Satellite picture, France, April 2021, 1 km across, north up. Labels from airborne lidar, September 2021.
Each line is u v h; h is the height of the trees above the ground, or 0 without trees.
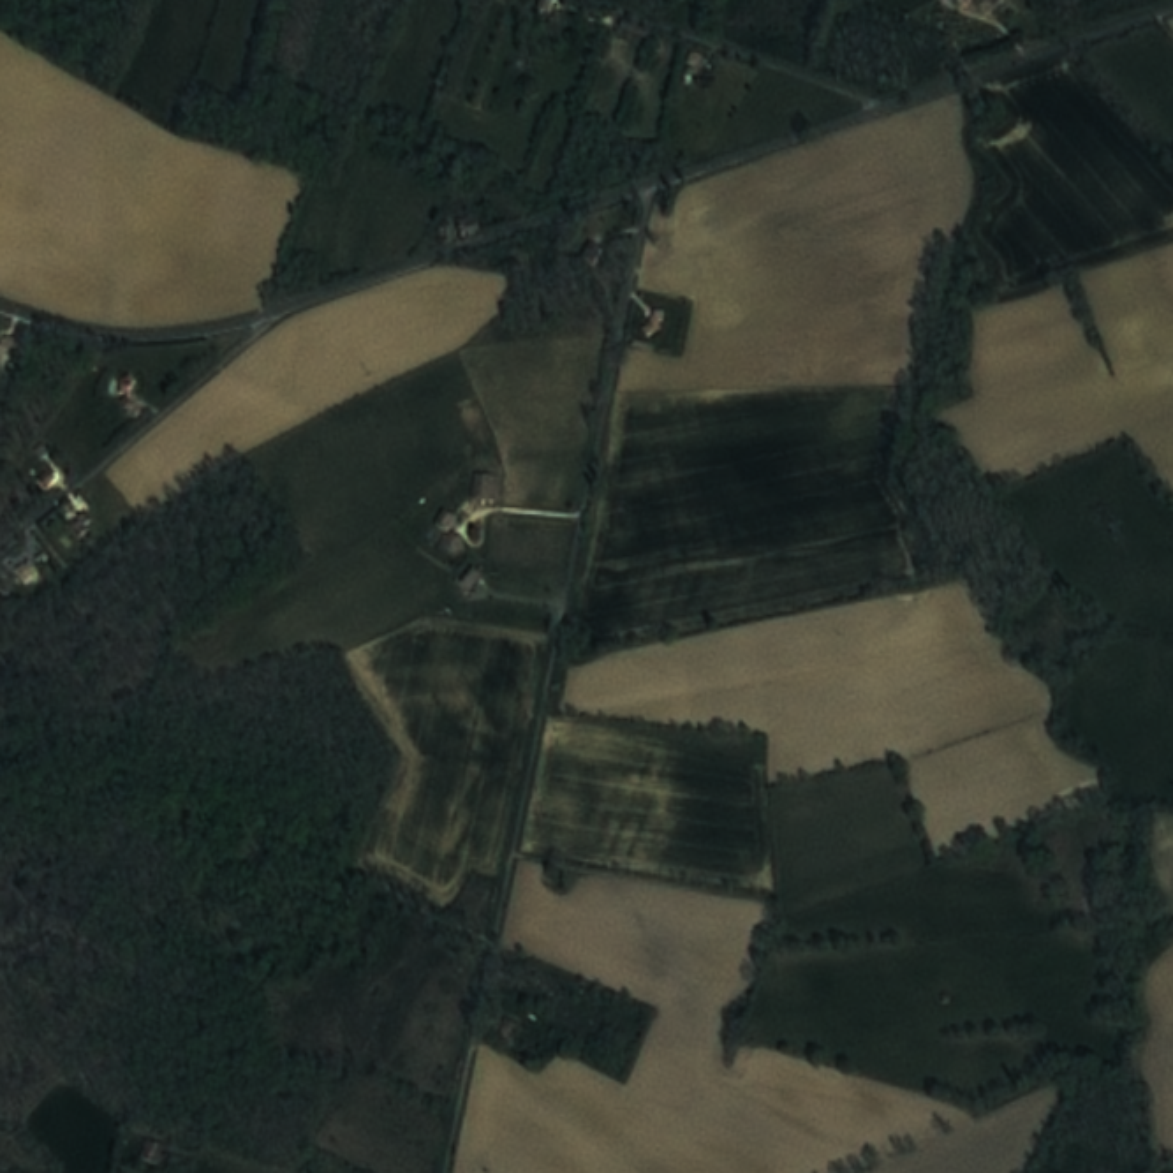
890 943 12
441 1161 0
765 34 7
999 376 0
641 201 15
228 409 0
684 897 0
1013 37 9
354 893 19
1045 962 0
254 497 17
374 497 0
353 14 8
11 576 8
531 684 0
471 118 0
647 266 0
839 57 16
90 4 28
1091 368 0
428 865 0
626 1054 11
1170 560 0
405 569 0
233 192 0
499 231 11
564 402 0
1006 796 0
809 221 0
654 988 0
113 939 20
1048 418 0
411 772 0
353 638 0
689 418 0
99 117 0
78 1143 0
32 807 21
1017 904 0
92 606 17
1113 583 0
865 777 0
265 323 0
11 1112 18
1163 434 0
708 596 0
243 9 0
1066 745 15
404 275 0
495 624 0
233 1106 20
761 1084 0
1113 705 0
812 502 0
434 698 0
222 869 20
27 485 14
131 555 17
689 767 0
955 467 18
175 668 19
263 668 16
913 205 0
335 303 0
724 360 0
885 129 0
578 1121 0
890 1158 0
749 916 0
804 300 0
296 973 17
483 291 0
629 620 0
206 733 19
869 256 0
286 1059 22
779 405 0
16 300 0
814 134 26
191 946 23
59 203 0
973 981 0
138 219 0
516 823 0
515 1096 0
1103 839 17
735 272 0
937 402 24
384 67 10
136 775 25
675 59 7
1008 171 0
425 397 0
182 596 19
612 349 9
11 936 12
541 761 0
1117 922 21
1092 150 0
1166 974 0
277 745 24
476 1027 25
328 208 0
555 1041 7
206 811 25
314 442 0
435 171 8
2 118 0
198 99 21
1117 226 0
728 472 0
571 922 0
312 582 0
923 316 22
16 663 16
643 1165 0
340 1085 12
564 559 0
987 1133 0
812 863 0
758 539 0
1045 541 0
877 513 0
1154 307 0
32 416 20
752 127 0
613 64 0
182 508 19
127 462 0
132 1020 22
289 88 23
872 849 0
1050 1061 22
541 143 10
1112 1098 20
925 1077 0
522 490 0
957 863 17
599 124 9
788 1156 0
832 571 0
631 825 0
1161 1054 0
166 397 12
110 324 0
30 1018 18
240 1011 24
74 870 13
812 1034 0
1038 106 0
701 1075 0
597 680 0
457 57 11
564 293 23
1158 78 0
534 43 17
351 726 20
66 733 24
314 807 28
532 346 0
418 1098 13
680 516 0
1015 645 24
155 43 0
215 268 0
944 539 34
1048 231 0
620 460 0
